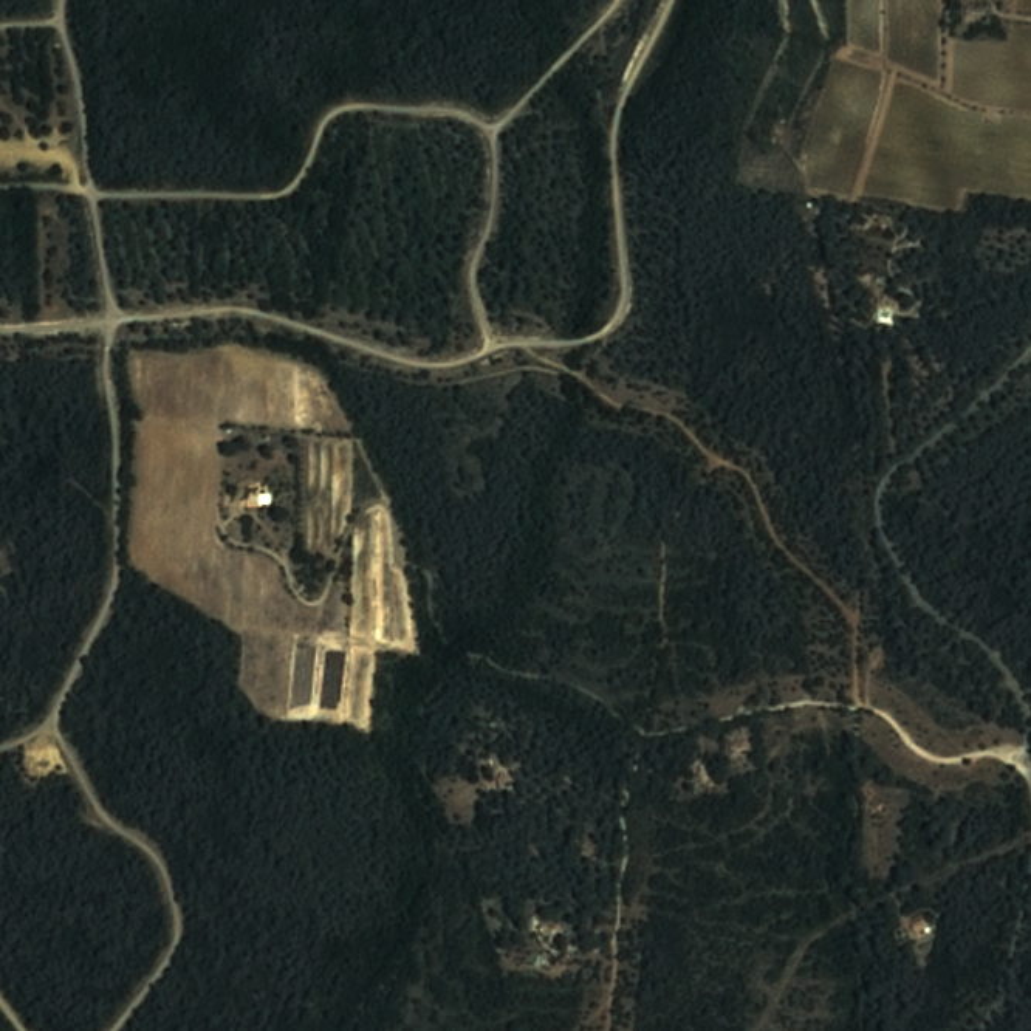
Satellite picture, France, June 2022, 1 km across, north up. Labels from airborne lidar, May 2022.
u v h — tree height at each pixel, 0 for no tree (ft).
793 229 57
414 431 53
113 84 60
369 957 28
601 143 49
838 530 56
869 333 50
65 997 61
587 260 58
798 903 29
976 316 54
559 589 31
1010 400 63
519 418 55
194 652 37
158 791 58
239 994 33
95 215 0
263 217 47
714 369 28
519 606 20
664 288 20
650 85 22
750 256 50
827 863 35
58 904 35
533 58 48
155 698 27
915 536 48
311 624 0
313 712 0
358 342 0
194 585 0
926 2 0
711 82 30
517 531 73
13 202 34
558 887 61
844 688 26
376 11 29
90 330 0
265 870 67
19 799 54
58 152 0
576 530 39
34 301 28
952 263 30
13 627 56
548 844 53
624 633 26
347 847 43
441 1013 23
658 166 27
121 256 31
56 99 24
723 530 59
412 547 51
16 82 36
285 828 56
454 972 25
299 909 59
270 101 48
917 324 75
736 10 48
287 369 0
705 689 21
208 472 0
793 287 62
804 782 47
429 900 31
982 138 0
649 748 58
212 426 0
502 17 65
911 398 55
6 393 63
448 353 56
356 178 33
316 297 41
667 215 52
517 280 51
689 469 24
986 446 53
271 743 65
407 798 33
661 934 34
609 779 58
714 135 30
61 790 21
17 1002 27
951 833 65
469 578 57
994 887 57
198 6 37
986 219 28
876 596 19
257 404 0
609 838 54
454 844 48
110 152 58
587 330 33
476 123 0
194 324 24
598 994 0
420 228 50
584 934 61
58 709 0
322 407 0
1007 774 35
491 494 51
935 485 64
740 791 30
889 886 27
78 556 48
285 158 43
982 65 0
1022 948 48
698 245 59
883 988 73
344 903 49
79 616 21
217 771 27
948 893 52
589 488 34
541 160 61
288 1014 29
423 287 22
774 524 24
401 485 37
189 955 49
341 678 0
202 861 31
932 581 22
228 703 52
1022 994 51
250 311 0
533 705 38
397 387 49
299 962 53
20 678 45
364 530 0
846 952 50
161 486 0
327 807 69
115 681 28
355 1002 21
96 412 53
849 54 0
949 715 18
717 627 30
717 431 36
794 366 26
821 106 0
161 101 63
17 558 38
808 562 22
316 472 0
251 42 53
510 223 30
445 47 42
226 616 0
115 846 18
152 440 0
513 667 33
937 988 41
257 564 0
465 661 29
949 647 54
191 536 0
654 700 31
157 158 62
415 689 45
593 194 40
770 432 47
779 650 28
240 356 0
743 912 23
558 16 34
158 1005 59
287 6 62
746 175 0
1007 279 28
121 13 53
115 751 51
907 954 62
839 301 67
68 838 45
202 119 51
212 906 35
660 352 49
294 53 29
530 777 52
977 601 53
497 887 49
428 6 31
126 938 61
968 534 18
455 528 55
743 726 28
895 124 0
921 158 0
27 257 43
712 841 24
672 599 19
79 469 60
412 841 37
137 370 0
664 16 0
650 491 46
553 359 0
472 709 47
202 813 56
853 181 0
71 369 51
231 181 58
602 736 31
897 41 0
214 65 38
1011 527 60
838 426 54
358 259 26
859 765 65
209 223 44
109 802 41
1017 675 22
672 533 55
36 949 55
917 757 0
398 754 39
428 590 38
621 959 33
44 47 35
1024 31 0
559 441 42
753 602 61
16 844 47
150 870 43
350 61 53
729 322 28
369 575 0
